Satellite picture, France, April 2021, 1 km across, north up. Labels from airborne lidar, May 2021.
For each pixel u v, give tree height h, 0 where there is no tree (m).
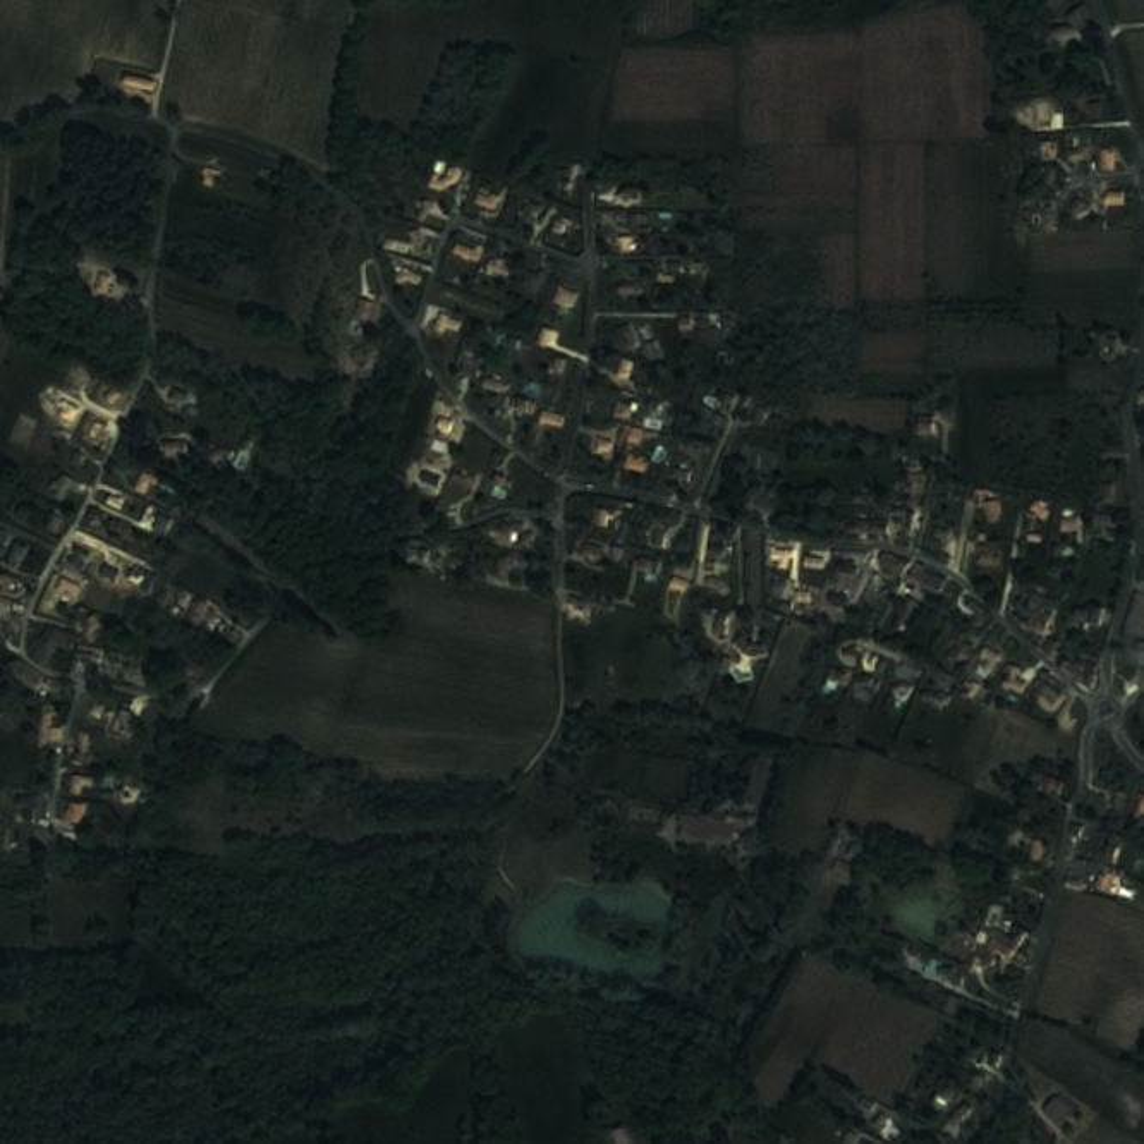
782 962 8
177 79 0
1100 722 0
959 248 0
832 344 8
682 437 7
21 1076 22
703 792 13
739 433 0
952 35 0
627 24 6
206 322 0
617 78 0
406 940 27
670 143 0
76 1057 25
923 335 0
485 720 0
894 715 0
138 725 17
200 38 0
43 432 0
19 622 0
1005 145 12
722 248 14
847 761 0
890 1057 0
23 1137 28
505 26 0
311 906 18
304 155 0
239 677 0
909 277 0
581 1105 0
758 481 9
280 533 17
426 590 0
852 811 0
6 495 13
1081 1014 0
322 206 10
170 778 13
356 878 15
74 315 19
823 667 8
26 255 20
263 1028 11
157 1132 6
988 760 0
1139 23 0
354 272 0
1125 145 0
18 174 0
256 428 16
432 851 19
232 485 16
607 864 8
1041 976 0
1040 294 0
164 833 14
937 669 11
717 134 0
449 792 15
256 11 0
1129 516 9
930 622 15
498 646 0
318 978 23
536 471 0
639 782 0
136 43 0
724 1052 16
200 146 0
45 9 0
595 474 8
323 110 0
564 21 0
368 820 15
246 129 0
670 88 0
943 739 0
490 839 17
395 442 26
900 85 0
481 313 0
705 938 0
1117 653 11
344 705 0
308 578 20
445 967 17
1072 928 0
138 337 18
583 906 0
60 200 12
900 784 0
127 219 17
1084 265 0
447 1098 0
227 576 0
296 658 0
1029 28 8
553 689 0
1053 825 11
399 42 0
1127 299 0
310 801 12
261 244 0
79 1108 19
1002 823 11
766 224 0
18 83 0
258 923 12
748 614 9
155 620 14
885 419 0
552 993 20
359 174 18
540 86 0
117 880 7
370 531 20
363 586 17
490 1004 19
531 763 0
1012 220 0
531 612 0
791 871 26
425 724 0
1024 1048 8
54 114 13
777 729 0
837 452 8
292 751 15
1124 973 0
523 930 0
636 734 6
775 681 0
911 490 6
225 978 21
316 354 17
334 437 11
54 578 0
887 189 0
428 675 0
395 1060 23
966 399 0
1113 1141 0
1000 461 6
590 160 0
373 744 0
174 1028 16
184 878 15
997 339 0
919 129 0
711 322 8
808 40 0
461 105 9
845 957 17
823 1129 0
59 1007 19
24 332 21
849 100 0
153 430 14
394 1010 12
